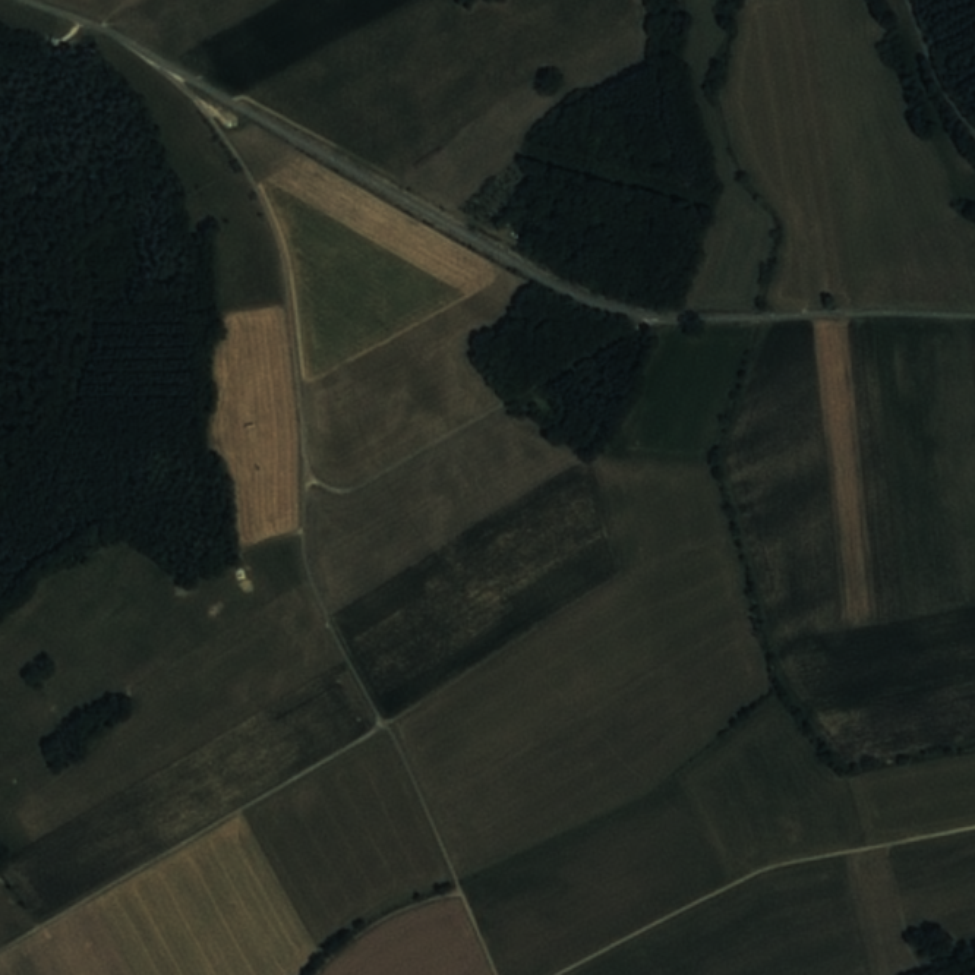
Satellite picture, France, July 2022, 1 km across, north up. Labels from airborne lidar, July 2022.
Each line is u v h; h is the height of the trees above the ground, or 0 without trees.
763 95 0
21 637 0
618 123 21
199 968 0
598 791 0
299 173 0
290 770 0
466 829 0
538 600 0
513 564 0
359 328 0
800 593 0
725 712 0
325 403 0
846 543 0
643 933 0
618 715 0
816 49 0
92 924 0
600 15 0
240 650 0
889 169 0
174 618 0
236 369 0
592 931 0
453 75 0
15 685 0
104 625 0
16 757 0
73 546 21
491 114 0
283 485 0
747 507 0
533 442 0
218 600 0
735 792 0
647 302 18
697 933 0
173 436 17
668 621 0
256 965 0
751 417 0
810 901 0
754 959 0
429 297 0
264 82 0
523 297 15
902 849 0
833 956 0
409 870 0
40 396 25
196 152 0
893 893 0
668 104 21
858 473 0
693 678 0
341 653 0
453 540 0
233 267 0
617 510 0
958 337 0
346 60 0
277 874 0
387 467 0
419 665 0
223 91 0
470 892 0
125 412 15
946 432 0
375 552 0
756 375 0
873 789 0
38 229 27
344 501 0
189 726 0
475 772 0
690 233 21
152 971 0
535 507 0
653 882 0
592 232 27
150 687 0
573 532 0
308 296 0
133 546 16
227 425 0
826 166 0
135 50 0
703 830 0
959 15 24
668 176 20
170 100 0
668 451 0
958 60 18
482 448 0
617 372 21
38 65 23
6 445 27
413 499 0
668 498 0
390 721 0
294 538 0
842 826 0
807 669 0
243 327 0
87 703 0
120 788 0
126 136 25
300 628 0
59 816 0
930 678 0
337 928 0
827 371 0
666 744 0
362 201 0
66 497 15
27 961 0
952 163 0
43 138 24
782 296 0
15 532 18
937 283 0
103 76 27
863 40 0
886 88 0
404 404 0
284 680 0
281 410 0
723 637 0
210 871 0
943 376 0
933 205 0
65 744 21
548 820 0
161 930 0
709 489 0
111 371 18
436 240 0
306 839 0
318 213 0
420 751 0
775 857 0
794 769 0
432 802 0
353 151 0
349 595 0
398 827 0
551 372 19
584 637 0
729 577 0
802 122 0
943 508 0
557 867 0
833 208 0
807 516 0
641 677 0
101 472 13
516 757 0
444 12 0
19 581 23
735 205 0
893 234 0
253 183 0
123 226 18
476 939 0
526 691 0
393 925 0
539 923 0
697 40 0
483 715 0
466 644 0
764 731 0
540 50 0
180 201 21
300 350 0
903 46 8
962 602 0
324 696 0
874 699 0
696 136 19
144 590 0
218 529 20
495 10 0
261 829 0
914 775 0
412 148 0
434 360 0
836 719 0
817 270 0
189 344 16
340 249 0
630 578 0
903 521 0
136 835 0
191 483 18
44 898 0
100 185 27
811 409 0
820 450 0
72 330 30
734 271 0
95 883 0
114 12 0
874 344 0
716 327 0
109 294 6
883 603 0
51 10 0
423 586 0
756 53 0
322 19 0
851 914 0
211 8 0
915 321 0
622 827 0
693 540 0
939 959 12
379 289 0
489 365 17
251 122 0
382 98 0
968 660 0
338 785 0
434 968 0
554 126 16
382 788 0
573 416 16
